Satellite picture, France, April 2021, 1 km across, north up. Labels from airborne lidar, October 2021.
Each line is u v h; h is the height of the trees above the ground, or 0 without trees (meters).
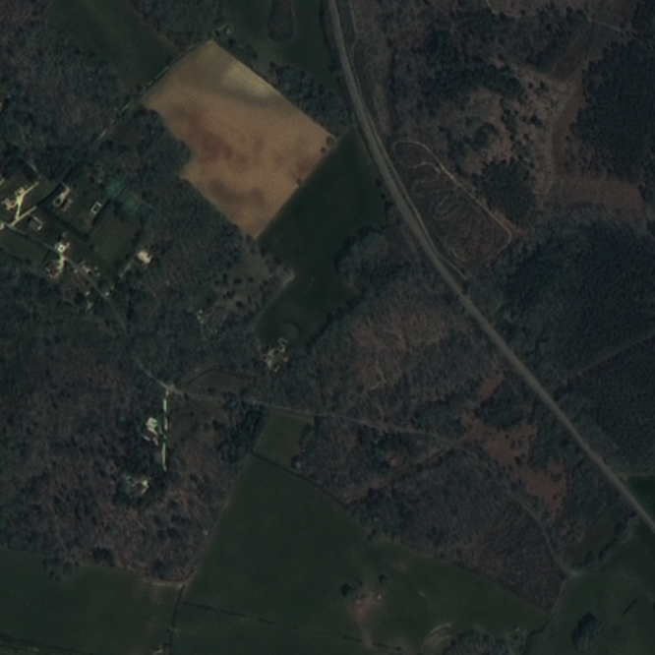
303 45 0
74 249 0
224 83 0
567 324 25
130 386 17
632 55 13
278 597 0
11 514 13
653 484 0
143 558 12
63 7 0
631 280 24
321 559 0
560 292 19
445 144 10
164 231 24
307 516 0
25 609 0
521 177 29
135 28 0
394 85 18
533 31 8
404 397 14
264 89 0
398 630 0
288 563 0
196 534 19
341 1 6
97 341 14
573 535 13
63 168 22
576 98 0
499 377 12
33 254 0
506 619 0
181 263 27
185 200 28
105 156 21
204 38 19
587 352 27
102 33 0
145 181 21
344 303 0
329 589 0
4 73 8
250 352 22
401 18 18
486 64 9
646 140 14
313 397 20
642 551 0
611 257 24
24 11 8
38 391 17
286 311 0
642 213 11
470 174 11
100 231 0
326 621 0
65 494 10
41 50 22
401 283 19
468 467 15
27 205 0
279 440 0
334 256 0
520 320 19
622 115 14
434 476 16
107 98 23
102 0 0
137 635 0
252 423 6
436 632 0
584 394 26
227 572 0
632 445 26
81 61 16
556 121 0
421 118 13
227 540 0
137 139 0
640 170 15
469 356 26
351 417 10
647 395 24
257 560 0
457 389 20
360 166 0
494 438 8
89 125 25
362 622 0
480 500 15
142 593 0
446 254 6
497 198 24
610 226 20
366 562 0
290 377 15
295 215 0
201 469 15
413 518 14
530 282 21
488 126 10
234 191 0
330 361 19
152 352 23
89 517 14
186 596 0
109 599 0
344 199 0
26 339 7
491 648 18
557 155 0
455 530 12
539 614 0
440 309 21
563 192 0
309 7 0
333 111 16
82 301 17
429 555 17
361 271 12
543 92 16
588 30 6
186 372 17
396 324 7
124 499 18
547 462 6
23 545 9
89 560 11
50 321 18
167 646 7
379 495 9
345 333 25
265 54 0
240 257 13
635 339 25
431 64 22
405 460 8
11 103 14
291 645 0
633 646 0
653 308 19
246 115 0
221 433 25
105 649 0
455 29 6
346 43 8
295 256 0
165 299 24
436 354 14
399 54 11
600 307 24
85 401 9
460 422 14
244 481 0
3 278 12
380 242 22
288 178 0
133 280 23
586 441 22
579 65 10
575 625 0
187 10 22
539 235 24
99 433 16
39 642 0
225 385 0
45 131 12
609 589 0
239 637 0
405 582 0
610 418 25
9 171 23
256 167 0
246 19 0
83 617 0
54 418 11
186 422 0
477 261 8
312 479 12
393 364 19
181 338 22
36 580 0
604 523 0
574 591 0
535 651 0
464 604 0
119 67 0
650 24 10
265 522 0
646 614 0
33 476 12
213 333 14
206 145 0
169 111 0
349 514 8
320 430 15
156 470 19
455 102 23
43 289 19
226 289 13
